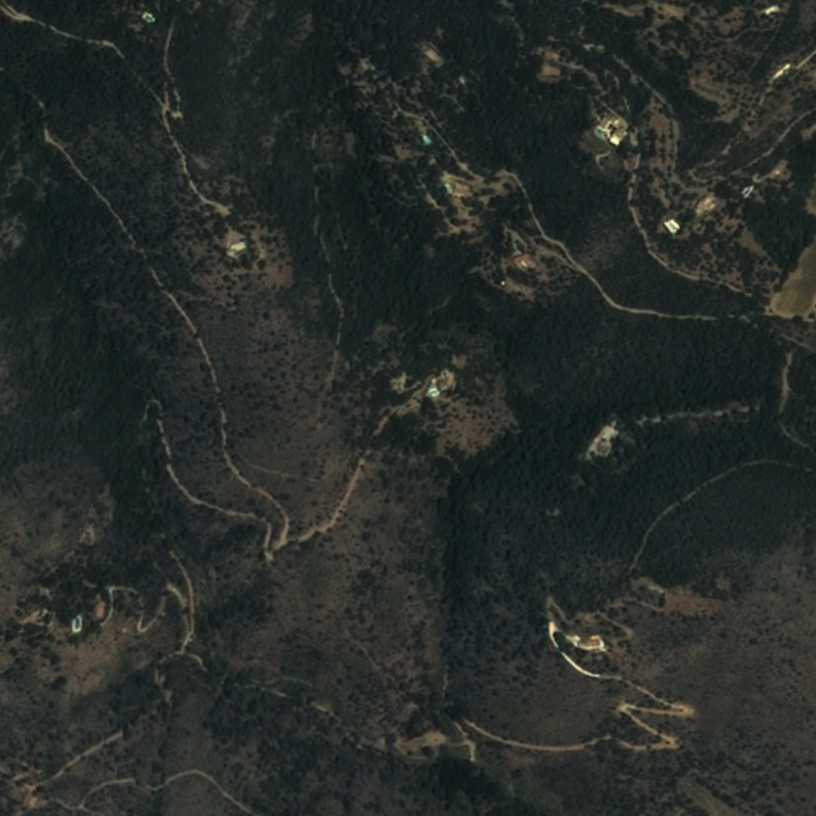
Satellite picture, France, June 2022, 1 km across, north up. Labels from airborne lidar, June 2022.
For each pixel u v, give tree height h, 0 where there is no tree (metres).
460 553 13
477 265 9
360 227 6
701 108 6
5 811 10
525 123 10
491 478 7
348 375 8
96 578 9
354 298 13
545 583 9
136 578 6
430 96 8
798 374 6
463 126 8
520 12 10
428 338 12
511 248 10
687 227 8
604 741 9
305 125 14
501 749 10
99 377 13
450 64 8
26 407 12
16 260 7
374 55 14
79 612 8
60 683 10
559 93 7
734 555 0
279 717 11
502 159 13
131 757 9
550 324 8
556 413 11
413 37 11
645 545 7
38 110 13
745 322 7
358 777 18
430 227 11
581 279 6
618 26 9
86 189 7
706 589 7
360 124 17
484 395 6
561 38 12
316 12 7
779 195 11
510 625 9
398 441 12
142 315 14
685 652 0
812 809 0
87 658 0
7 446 12
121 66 10
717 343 10
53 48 8
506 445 16
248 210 11
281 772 11
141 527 15
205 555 6
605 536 7
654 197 7
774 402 12
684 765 10
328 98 12
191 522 7
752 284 8
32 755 9
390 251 12
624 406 13
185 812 0
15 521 0
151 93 6
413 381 11
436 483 9
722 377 8
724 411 9
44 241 7
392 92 8
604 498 14
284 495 11
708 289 9
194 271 8
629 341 11
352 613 9
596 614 7
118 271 16
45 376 13
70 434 8
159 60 8
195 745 0
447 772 17
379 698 9
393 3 10
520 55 10
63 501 10
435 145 6
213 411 14
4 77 14
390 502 9
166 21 11
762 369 11
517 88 8
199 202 9
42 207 13
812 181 12
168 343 11
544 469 10
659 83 8
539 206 6
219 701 8
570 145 5
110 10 12
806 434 7
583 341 7
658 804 8
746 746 7
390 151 17
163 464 9
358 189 11
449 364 8
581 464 14
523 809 16
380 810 11
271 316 8
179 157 8
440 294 8
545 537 10
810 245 12
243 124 7
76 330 15
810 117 10
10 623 9
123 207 9
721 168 7
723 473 8
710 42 7
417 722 14
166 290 7
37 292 7
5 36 7
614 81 7
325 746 9
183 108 6
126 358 11
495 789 16
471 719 11
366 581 8
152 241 15
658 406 8
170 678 9
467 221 9
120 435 9
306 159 9
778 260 9
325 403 10
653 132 9
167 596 10
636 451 10
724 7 9
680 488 7
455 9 9
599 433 11
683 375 6
